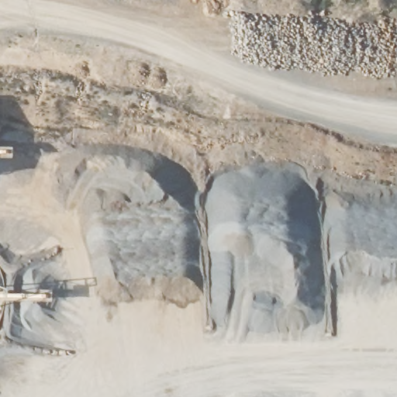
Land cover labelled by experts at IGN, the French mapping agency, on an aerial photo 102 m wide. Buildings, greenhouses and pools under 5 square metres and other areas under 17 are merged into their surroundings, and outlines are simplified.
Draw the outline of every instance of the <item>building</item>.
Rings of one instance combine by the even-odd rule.
[[[51,302],[51,290],[40,290],[34,282],[23,281],[20,292],[22,295],[31,296],[33,301]]]
[[[0,149],[0,157],[12,158],[12,147],[5,146]]]
[[[19,301],[20,295],[0,293],[0,299]]]

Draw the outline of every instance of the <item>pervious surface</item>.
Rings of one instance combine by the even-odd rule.
[[[299,5],[301,0],[0,0],[0,82],[3,84],[14,79],[22,79],[25,82],[25,90],[37,90],[36,95],[28,96],[28,105],[23,109],[20,109],[19,99],[0,93],[0,149],[5,146],[12,147],[12,158],[0,157],[0,293],[20,295],[19,301],[0,299],[0,397],[397,397],[397,0],[333,0],[329,14],[302,8]],[[71,102],[70,113],[71,116],[79,116],[81,123],[88,126],[88,130],[74,129],[73,132],[65,133],[62,138],[53,140],[51,144],[36,143],[33,126],[45,126],[45,119],[57,118],[56,101],[51,99],[53,91],[65,95],[65,88],[68,88],[70,96],[76,96],[78,90],[68,81],[50,81],[47,78],[48,68],[60,73],[73,74],[79,81],[84,82],[85,88],[81,91],[78,101]],[[178,101],[186,99],[186,88],[192,87],[194,95],[203,99],[200,105],[194,107],[195,112],[203,113],[202,118],[194,118],[171,107],[167,107],[166,112],[157,112],[157,101],[152,96],[138,99],[136,95],[105,95],[102,91],[95,99],[87,99],[90,82],[93,79],[105,85],[147,88],[163,95],[174,96]],[[121,116],[118,119],[118,126],[105,126],[102,121],[95,121],[93,116],[88,115],[102,101],[109,101],[119,110],[126,109],[129,105],[132,109],[138,109],[140,105],[149,107],[154,113],[154,118],[172,121],[174,127],[166,129],[158,126],[157,130],[152,130],[152,127],[146,126],[144,119],[138,116]],[[23,281],[34,282],[40,290],[51,290],[51,302],[33,301],[31,296],[22,295],[20,292]]]

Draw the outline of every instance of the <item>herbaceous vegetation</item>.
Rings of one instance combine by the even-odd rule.
[[[25,82],[22,79],[14,79],[3,84],[0,82],[0,93],[19,99],[20,109],[23,109],[28,105],[28,96],[36,95],[37,90],[25,90]]]
[[[302,8],[329,14],[333,0],[301,0],[299,5]]]
[[[81,123],[79,116],[71,116],[70,113],[71,102],[78,101],[81,91],[85,88],[84,82],[79,81],[73,74],[60,73],[48,68],[47,78],[50,81],[68,81],[78,90],[76,96],[70,96],[68,88],[65,88],[65,95],[53,91],[51,99],[56,101],[57,118],[45,119],[45,126],[33,126],[36,143],[51,144],[53,140],[62,138],[65,133],[73,132],[74,129],[88,130],[88,126]]]
[[[154,113],[149,107],[140,105],[138,109],[132,109],[129,105],[126,109],[119,110],[109,101],[102,101],[88,115],[93,116],[95,121],[102,121],[105,126],[118,126],[118,119],[121,116],[138,116],[144,119],[146,126],[152,127],[152,130],[157,130],[158,126],[166,129],[174,127],[172,121],[154,118]]]
[[[174,96],[163,95],[147,88],[105,85],[93,79],[90,82],[87,99],[95,99],[102,91],[105,95],[136,95],[138,99],[152,96],[157,101],[157,112],[166,112],[167,107],[171,107],[194,118],[202,118],[203,113],[195,112],[194,107],[200,105],[203,99],[194,95],[192,87],[186,88],[186,99],[178,101]]]

